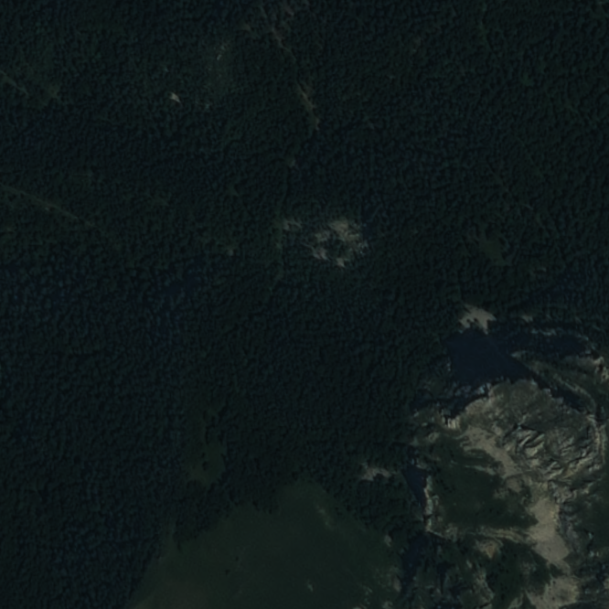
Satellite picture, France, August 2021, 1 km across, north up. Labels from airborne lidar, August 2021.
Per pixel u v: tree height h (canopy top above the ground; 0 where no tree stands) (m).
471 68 14
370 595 0
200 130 24
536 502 0
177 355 12
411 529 14
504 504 0
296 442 19
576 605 0
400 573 0
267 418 19
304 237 6
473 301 24
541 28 15
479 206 15
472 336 6
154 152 18
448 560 0
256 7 15
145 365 18
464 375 0
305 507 0
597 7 21
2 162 15
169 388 17
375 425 14
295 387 19
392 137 25
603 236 16
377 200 20
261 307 18
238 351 19
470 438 0
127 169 17
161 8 25
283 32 25
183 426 7
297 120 17
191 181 18
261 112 7
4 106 28
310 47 14
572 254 9
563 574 0
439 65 20
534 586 0
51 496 24
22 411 18
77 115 16
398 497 13
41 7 22
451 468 0
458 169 18
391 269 28
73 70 24
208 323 14
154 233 18
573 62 16
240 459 21
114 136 29
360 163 21
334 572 0
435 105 20
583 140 23
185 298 25
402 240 16
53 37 9
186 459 6
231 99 12
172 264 13
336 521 0
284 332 19
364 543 0
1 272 33
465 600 0
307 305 14
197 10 30
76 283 12
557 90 18
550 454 0
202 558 0
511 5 16
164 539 7
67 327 22
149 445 30
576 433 0
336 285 13
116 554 22
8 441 18
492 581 8
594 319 6
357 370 20
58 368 22
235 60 8
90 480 33
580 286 8
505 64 19
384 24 19
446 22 21
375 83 16
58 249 25
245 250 14
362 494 19
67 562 18
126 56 16
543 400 0
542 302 8
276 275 13
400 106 21
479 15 16
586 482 0
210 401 11
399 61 11
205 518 8
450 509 0
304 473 8
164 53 22
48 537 25
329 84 18
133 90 23
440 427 0
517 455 0
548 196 16
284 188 23
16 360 26
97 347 24
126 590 18
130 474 22
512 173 14
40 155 25
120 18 16
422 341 14
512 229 17
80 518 25
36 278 33
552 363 8
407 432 9
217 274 25
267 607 0
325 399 20
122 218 16
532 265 21
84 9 27
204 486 8
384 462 20
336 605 0
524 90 24
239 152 24
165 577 0
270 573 0
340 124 8
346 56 15
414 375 16
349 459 16
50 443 24
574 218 10
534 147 18
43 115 16
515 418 0
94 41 16
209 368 17
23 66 14
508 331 14
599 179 20
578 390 0
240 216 13
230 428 14
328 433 18
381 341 13
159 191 15
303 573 0
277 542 0
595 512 0
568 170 15
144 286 28
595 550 0
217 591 0
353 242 0
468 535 0
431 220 19
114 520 17
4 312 29
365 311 10
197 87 7
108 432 26
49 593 21
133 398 20
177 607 0
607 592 0
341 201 11
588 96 13
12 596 21
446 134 23
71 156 23
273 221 10
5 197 22
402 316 24
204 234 16
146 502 18
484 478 0
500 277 14
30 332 24
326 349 20
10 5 24
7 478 22
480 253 15
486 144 15
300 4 19
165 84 14
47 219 16
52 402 26
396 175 19
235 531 0
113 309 25
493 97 23
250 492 15
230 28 10
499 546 0
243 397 12
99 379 30
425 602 0
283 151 17
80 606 20
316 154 18
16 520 21
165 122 25
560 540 0
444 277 30
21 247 13
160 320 28
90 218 23
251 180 15
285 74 17
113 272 22
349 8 21
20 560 22
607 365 0
